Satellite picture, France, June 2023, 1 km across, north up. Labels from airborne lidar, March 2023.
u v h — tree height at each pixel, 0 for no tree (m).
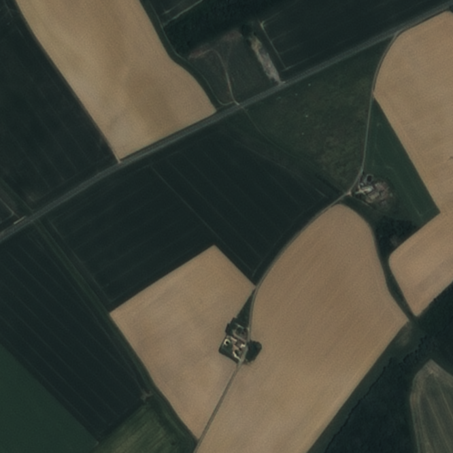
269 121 0
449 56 0
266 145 0
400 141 0
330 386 0
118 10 0
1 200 0
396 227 14
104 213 0
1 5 0
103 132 0
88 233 0
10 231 0
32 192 0
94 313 0
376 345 0
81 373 0
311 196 0
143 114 0
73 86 0
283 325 0
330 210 0
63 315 0
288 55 0
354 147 0
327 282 0
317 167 0
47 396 0
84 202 0
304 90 0
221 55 0
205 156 0
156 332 0
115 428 0
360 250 0
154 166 0
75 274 0
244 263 0
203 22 9
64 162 0
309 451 0
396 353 0
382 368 0
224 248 0
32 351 0
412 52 0
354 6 0
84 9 0
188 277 0
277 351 0
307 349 0
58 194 0
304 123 0
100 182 0
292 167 0
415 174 0
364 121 0
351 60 0
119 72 0
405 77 0
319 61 0
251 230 0
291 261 0
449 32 0
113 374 0
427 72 0
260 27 0
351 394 0
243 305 0
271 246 0
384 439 24
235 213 0
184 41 9
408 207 0
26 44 0
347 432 21
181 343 0
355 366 0
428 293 0
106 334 0
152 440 0
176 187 0
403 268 0
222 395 0
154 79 0
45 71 0
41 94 0
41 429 0
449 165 0
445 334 6
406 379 21
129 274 0
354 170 0
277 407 0
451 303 8
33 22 0
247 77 0
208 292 0
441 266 0
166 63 0
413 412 0
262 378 0
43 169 0
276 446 0
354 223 0
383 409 23
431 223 0
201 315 0
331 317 0
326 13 0
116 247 0
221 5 13
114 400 0
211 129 0
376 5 0
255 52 0
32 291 0
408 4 0
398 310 0
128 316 0
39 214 0
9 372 0
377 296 0
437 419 0
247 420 0
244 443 0
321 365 0
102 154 0
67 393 0
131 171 0
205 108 0
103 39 0
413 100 0
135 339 0
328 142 0
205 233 0
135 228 0
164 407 0
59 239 0
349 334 0
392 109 0
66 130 0
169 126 0
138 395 0
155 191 0
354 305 0
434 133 0
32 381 0
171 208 0
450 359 0
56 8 0
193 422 0
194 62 0
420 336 0
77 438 0
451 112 0
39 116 0
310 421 0
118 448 0
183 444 0
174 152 0
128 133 0
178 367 0
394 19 0
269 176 0
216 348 0
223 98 0
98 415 0
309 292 0
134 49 0
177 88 0
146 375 0
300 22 0
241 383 0
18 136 0
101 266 0
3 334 0
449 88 0
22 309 0
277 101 0
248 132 0
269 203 0
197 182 0
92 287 0
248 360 0
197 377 0
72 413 0
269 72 0
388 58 0
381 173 0
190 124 0
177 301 0
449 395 0
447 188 0
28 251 0
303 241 0
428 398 0
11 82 0
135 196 0
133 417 0
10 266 0
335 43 0
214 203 0
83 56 0
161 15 0
